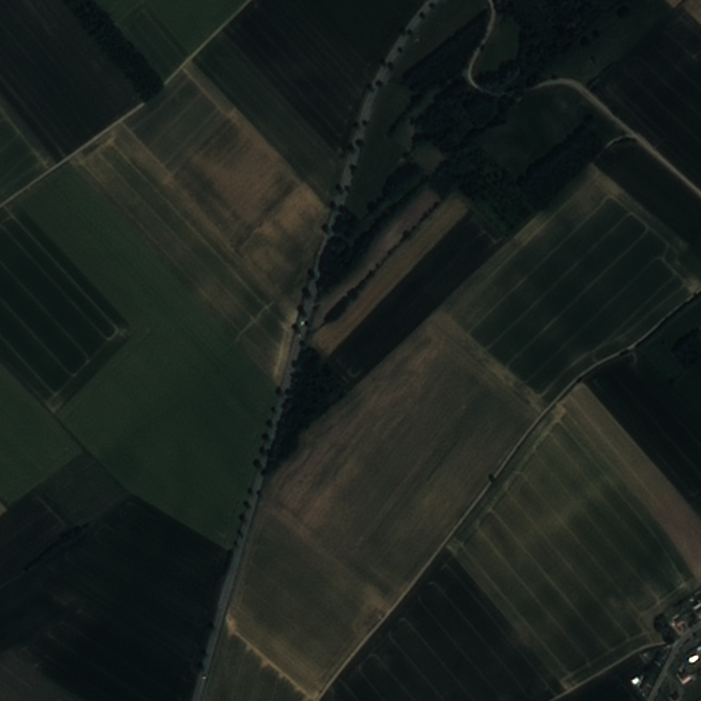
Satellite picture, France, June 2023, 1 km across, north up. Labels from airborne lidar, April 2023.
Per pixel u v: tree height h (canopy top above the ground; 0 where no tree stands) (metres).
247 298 0
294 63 0
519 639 0
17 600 0
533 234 0
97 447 0
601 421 0
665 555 0
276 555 0
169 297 0
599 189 0
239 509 0
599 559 0
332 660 0
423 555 0
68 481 0
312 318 0
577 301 0
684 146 0
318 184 0
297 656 0
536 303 0
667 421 0
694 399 0
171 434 0
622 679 0
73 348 0
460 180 8
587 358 0
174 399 0
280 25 0
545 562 0
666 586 0
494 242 0
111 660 0
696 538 0
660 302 0
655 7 0
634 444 0
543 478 0
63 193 0
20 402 0
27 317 0
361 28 0
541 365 0
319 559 0
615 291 0
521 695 0
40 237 0
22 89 0
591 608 0
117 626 0
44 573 0
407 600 0
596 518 0
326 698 0
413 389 0
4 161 0
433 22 0
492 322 0
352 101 0
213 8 0
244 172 0
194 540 0
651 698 0
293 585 0
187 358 0
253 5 0
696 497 0
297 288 0
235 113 0
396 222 0
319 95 0
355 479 0
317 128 0
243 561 0
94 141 0
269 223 0
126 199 0
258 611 0
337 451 0
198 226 0
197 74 0
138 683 0
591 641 0
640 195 0
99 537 0
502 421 0
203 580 0
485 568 0
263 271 0
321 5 0
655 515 0
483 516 0
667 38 0
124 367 0
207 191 0
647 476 0
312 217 0
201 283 0
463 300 0
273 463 9
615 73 0
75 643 0
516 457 0
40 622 0
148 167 0
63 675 0
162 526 0
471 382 0
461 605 0
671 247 0
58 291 0
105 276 0
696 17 0
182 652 0
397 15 0
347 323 0
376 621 0
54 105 0
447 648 0
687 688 0
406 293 0
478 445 0
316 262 0
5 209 0
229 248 0
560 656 0
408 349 0
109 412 0
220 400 0
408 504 0
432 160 0
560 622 0
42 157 0
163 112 0
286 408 10
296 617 0
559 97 0
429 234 0
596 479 0
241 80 0
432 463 0
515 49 0
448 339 0
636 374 0
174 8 0
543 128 0
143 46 0
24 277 0
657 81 0
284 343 0
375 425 0
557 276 0
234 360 0
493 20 0
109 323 0
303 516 0
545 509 0
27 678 0
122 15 0
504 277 0
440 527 0
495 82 23
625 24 0
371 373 0
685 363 9
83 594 0
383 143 0
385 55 0
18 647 0
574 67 0
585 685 0
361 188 0
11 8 0
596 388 0
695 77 0
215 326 0
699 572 0
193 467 0
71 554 0
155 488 0
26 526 0
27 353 0
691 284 0
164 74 0
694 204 0
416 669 0
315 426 0
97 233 0
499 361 0
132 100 0
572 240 0
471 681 0
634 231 0
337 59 0
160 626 0
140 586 0
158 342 0
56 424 0
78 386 0
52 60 0
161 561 0
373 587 0
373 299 0
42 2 0
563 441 0
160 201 0
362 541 0
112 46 11
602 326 0
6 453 0
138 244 0
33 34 0
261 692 0
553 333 0
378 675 0
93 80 0
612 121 0
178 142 0
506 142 0
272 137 0
